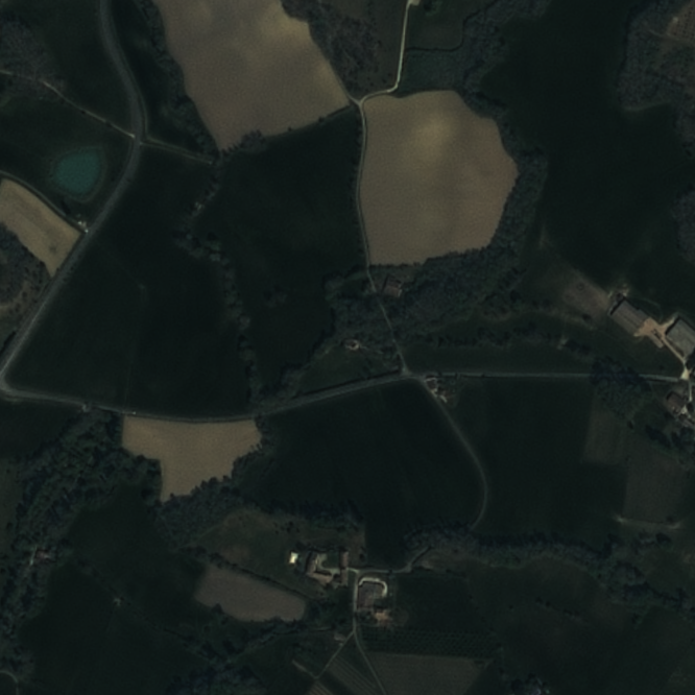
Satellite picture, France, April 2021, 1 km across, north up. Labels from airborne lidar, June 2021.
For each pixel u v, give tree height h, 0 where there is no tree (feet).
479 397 0
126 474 47
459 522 0
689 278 0
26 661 45
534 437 0
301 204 0
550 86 0
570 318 0
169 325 0
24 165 0
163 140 0
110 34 0
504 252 56
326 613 68
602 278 0
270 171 0
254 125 0
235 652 71
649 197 0
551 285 0
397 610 0
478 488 0
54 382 0
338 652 0
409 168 0
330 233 0
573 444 0
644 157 0
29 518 81
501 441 0
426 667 0
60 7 0
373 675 0
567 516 0
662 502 0
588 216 0
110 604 0
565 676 0
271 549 0
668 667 0
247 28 0
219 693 47
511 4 25
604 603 0
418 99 0
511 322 0
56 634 0
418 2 0
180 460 0
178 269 0
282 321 0
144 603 0
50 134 0
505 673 38
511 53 0
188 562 0
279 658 0
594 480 0
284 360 0
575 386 0
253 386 52
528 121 0
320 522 80
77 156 0
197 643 39
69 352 0
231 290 46
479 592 0
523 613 0
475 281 86
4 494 0
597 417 0
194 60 0
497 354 0
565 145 0
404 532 0
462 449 0
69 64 0
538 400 0
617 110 0
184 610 0
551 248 0
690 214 33
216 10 0
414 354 0
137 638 0
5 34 40
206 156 46
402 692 0
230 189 0
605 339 0
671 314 0
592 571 36
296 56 0
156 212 0
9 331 0
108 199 0
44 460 66
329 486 0
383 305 55
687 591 0
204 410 0
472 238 0
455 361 0
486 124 0
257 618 0
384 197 0
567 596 0
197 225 0
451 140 0
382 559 0
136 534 0
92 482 21
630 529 0
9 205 0
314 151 0
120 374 0
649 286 0
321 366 0
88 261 0
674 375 0
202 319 0
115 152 0
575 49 0
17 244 73
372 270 22
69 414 0
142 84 0
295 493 0
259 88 0
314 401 0
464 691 0
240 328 22
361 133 40
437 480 0
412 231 0
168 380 0
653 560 0
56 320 0
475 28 50
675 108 45
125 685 0
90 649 0
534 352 0
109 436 29
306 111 0
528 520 0
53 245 0
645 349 0
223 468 0
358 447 0
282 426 0
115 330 0
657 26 42
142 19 0
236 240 0
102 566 0
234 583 0
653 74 35
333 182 0
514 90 0
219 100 0
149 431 0
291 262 0
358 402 0
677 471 0
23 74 31
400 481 0
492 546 68
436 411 0
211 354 0
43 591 68
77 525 0
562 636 0
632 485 0
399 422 0
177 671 0
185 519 71
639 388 101
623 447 0
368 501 0
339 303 56
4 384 0
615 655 0
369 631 19
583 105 0
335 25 42
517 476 0
